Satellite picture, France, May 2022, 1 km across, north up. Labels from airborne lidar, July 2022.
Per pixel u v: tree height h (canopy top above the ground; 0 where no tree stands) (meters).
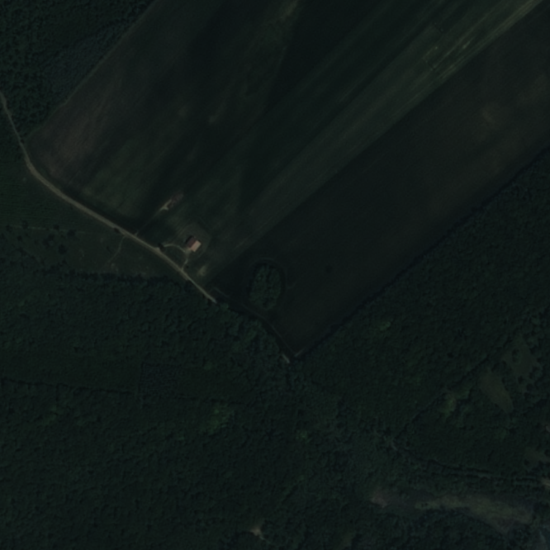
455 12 0
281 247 0
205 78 0
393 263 0
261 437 21
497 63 0
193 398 11
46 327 22
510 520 0
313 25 0
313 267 0
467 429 21
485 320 20
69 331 19
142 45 0
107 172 0
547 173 23
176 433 18
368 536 25
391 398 18
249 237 0
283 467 21
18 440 21
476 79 0
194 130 0
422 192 0
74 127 0
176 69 0
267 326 0
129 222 0
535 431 21
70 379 14
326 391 29
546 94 0
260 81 0
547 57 0
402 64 0
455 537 27
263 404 25
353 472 22
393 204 0
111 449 23
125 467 27
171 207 0
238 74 0
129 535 27
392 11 0
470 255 23
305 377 20
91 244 0
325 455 20
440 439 19
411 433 18
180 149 0
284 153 0
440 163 0
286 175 0
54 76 20
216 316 23
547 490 18
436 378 20
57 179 0
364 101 0
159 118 0
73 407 24
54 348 20
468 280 18
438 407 25
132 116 0
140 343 21
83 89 0
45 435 19
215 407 23
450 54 0
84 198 0
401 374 19
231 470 22
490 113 0
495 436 20
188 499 25
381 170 0
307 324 0
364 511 28
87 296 19
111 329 23
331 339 16
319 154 0
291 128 0
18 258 27
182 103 0
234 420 19
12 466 26
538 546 0
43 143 0
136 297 24
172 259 0
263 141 0
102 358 18
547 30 0
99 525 30
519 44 0
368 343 25
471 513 0
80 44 21
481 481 16
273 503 18
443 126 0
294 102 0
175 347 26
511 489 17
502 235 21
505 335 19
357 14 0
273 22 0
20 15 20
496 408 14
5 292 19
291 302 0
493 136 0
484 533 17
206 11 0
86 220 0
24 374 14
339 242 0
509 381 20
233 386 12
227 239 0
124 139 0
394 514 7
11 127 14
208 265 0
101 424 22
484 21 0
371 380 18
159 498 30
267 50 0
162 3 0
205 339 21
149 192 0
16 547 32
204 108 0
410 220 0
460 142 0
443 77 0
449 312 22
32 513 21
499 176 0
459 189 0
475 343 20
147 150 0
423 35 0
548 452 13
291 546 19
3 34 17
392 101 0
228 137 0
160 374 19
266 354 20
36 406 29
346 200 0
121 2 17
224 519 23
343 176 0
